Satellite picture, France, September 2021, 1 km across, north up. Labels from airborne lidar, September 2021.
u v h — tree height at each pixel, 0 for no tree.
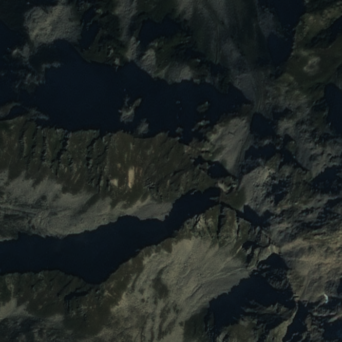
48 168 0
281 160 0
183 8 0
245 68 0
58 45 0
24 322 0
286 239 0
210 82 0
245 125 0
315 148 0
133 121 0
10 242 0
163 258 0
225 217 0
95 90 0
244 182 0
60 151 0
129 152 0
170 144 0
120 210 0
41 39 0
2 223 0
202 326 0
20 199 0
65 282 0
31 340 0
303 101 0
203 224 0
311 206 0
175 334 0
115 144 0
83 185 0
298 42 0
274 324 0
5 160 0
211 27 0
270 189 0
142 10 0
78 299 0
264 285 0
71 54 0
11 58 0
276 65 0
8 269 0
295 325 0
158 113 0
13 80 0
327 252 0
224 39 0
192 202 0
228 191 0
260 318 0
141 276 0
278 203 0
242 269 0
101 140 0
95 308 0
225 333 0
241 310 0
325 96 0
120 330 0
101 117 0
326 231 0
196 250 0
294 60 0
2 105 0
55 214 0
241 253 0
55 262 0
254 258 0
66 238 0
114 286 0
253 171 0
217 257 0
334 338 0
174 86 0
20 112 0
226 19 0
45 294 0
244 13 0
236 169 0
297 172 0
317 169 0
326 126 0
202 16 0
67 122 0
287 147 0
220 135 0
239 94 0
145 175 0
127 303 0
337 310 0
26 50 0
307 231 0
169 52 0
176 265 0
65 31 0
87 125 0
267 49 0
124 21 0
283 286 0
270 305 0
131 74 0
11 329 0
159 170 0
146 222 0
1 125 0
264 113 0
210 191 0
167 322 0
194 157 0
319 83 0
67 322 0
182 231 0
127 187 0
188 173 0
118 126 0
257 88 0
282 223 0
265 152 0
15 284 0
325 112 0
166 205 0
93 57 0
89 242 0
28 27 0
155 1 0
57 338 0
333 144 0
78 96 0
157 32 6
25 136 0
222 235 0
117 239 0
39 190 0
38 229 0
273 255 0
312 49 0
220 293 0
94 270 0
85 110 0
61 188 0
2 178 0
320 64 0
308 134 0
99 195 0
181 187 0
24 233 0
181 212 0
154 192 0
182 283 0
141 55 0
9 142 0
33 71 0
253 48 0
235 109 0
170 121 0
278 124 0
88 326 0
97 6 6
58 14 0
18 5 0
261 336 0
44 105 0
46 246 0
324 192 0
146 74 0
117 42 7
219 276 0
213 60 0
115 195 0
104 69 0
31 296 0
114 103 0
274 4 0
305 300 0
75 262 0
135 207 0
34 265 0
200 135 0
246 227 0
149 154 0
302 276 0
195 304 0
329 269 0
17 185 0
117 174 0
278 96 0
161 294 0
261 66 0
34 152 0
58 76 0
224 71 5
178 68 0
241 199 0
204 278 0
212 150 0
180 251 0
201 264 0
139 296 0
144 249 0
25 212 0
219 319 0
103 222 0
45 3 0
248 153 0
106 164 0
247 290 0
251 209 0
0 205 0
